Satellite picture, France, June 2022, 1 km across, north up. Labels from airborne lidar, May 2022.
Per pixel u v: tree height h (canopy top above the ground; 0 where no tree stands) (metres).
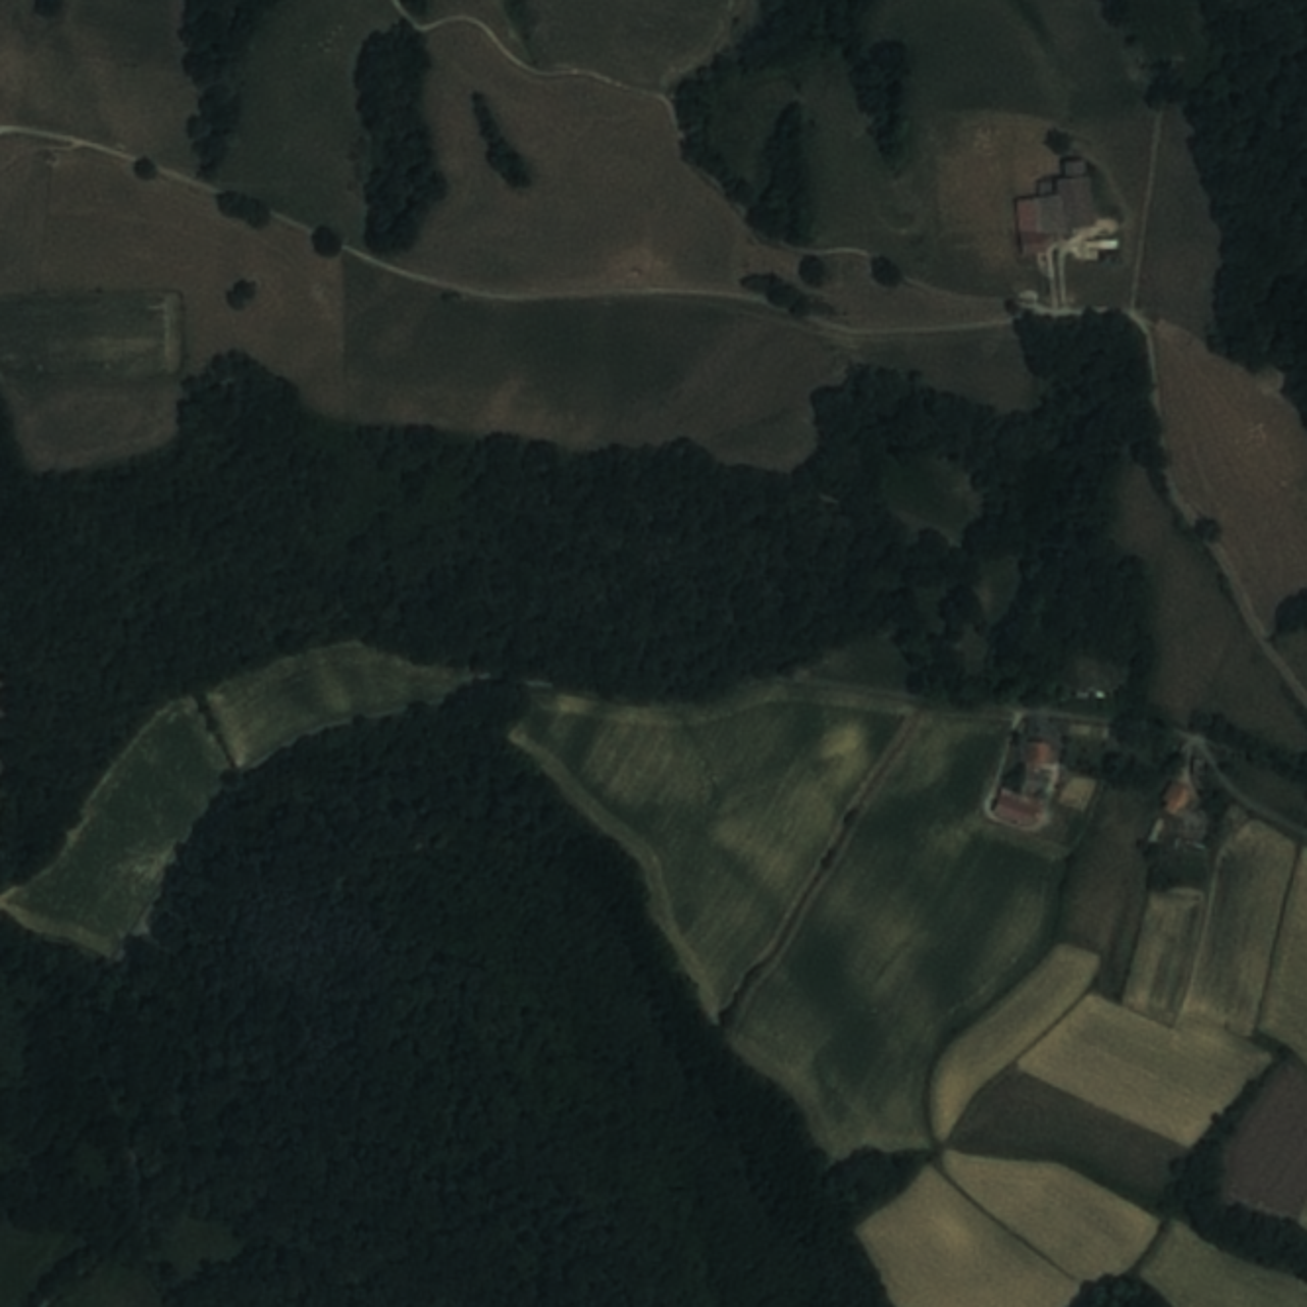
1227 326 11
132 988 23
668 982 22
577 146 0
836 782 0
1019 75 0
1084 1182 0
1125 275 0
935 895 0
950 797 0
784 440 0
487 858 15
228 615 21
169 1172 19
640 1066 13
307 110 0
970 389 0
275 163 0
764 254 0
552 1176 22
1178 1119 0
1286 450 0
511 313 0
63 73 0
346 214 0
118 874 0
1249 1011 0
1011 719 0
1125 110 0
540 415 0
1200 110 17
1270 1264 15
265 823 6
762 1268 13
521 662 24
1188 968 0
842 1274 20
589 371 0
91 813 0
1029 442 24
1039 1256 0
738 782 0
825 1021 0
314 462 10
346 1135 23
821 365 0
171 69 0
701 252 0
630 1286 21
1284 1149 0
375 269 0
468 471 8
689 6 0
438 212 0
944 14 0
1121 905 0
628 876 16
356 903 18
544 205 0
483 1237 21
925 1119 0
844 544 15
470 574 17
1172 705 0
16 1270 0
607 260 0
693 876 0
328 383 0
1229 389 0
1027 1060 0
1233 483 0
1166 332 0
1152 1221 0
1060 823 0
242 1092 21
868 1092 0
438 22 0
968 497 0
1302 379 24
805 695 0
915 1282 0
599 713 0
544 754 0
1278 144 19
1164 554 0
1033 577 19
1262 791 0
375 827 22
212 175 12
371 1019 17
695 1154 13
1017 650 22
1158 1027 0
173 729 0
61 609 12
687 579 12
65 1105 25
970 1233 0
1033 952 0
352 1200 23
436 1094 23
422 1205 24
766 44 22
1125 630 20
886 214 0
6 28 0
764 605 15
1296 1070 0
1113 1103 0
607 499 13
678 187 0
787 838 0
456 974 23
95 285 0
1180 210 0
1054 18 0
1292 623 21
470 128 0
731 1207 15
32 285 0
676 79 0
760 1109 21
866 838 0
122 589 9
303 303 0
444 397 0
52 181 0
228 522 18
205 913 29
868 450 28
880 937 0
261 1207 25
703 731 0
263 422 26
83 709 17
